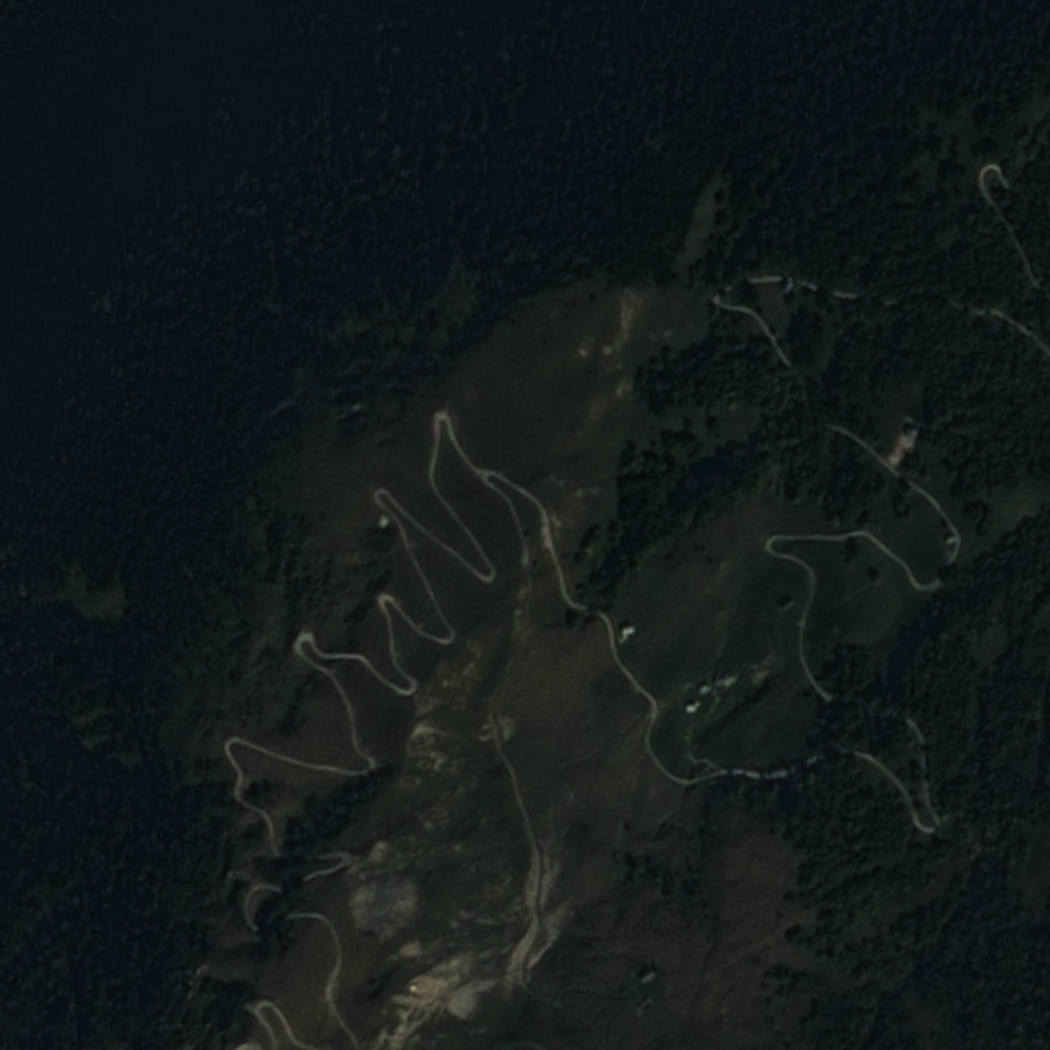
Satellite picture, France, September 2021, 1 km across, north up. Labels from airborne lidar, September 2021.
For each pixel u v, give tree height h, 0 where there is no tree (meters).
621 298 0
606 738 0
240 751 0
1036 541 9
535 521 0
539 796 0
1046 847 0
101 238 14
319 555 0
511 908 0
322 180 13
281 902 9
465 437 0
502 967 0
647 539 11
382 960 0
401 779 0
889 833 13
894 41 16
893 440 0
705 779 0
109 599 0
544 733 0
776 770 0
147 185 16
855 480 13
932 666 7
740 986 0
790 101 25
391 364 0
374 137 19
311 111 28
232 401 8
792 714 0
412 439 0
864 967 6
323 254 9
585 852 0
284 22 26
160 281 18
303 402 0
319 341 6
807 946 8
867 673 11
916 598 0
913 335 11
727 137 12
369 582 0
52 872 12
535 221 12
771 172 10
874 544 0
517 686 0
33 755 27
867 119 23
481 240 16
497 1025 0
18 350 12
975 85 22
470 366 0
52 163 13
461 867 0
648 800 0
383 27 19
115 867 9
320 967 0
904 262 10
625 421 0
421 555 0
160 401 13
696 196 10
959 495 13
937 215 9
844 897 9
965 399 7
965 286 10
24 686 14
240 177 23
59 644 17
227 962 0
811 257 15
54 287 11
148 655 8
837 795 9
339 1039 0
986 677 8
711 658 0
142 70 20
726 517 0
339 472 0
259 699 0
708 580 0
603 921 0
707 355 10
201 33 10
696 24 18
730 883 0
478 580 0
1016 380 13
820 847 9
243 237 10
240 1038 0
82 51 23
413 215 18
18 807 13
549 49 18
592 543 13
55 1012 0
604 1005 0
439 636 0
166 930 8
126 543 9
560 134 14
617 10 15
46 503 20
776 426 10
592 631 0
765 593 0
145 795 8
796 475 7
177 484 9
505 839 0
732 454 11
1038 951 8
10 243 10
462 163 8
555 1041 0
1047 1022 6
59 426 22
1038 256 7
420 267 10
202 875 0
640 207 12
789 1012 0
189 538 7
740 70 19
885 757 13
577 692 0
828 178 25
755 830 0
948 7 32
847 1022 5
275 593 0
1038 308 8
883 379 9
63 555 7
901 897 7
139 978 8
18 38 9
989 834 8
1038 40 26
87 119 15
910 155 14
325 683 0
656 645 0
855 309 10
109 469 11
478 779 0
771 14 21
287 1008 0
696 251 0
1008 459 12
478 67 9
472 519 0
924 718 11
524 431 0
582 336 0
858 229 13
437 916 0
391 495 0
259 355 7
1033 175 8
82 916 6
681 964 0
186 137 21
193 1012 0
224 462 6
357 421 0
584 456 0
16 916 10
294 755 0
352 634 0
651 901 0
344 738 0
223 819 0
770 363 12
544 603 0
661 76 14
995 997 8
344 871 0
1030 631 11
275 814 0
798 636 0
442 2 19
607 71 21
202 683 0
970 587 8
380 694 0
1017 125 0
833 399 11
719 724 0
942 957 7
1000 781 11
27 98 21
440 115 9
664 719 0
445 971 0
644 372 9
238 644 0
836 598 0
